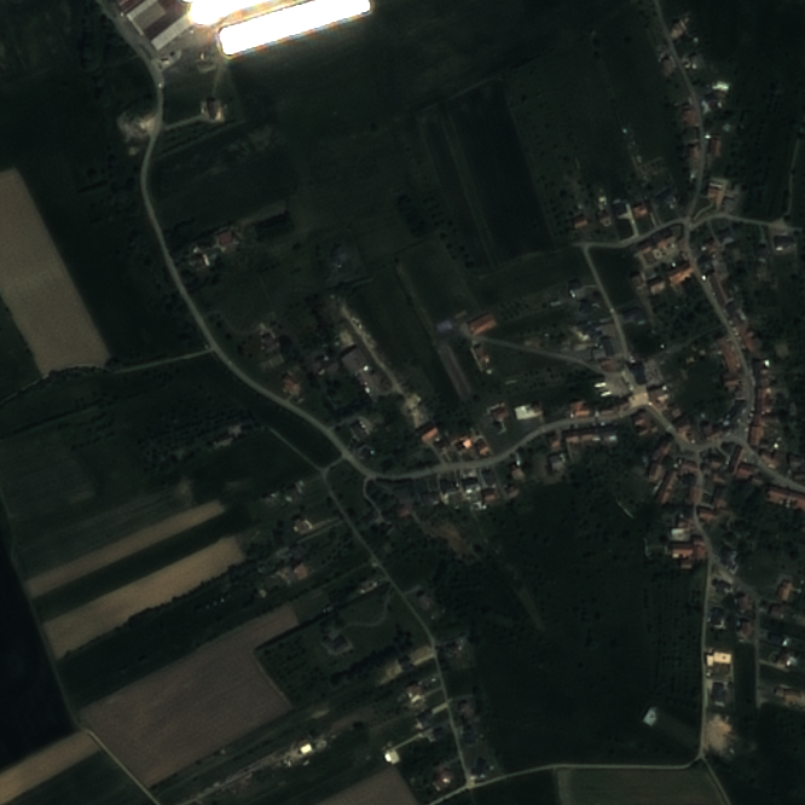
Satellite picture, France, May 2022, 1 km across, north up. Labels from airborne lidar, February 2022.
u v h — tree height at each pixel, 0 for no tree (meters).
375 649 0
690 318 11
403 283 0
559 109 0
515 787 0
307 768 0
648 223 0
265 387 0
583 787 0
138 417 0
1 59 0
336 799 0
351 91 0
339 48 0
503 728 0
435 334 0
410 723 0
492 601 0
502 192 0
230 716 0
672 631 0
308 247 0
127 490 0
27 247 0
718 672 0
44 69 0
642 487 0
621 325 0
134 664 0
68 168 0
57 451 0
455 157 0
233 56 0
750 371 0
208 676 0
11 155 0
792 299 0
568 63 0
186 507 0
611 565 0
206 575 0
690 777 0
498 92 0
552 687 0
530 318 0
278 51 0
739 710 0
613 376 0
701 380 0
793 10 0
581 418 0
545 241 0
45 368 0
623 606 0
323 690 0
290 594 0
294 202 0
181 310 12
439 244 0
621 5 0
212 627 0
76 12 0
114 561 0
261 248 0
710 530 0
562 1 0
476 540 0
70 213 0
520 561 0
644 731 0
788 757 0
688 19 0
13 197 0
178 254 8
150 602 0
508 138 0
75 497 0
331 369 0
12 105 0
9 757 0
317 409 0
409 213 8
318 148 0
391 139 0
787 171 0
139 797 0
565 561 0
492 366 0
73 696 0
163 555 0
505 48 0
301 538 0
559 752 0
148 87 0
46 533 0
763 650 0
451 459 0
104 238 0
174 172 0
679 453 0
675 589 0
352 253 0
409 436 10
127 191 9
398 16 0
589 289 0
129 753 0
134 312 0
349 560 0
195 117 0
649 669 0
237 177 0
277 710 0
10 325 0
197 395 0
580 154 0
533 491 0
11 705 0
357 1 0
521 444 0
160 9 0
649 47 0
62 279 0
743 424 0
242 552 0
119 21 0
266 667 0
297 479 0
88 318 0
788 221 6
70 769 0
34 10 0
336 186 0
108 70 0
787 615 0
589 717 0
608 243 0
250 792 0
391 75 0
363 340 0
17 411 0
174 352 0
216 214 0
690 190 7
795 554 11
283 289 0
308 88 0
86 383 0
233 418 5
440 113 0
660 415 0
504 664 0
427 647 0
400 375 0
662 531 0
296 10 0
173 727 0
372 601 0
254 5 0
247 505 0
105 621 0
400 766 0
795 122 6
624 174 0
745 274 10
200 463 0
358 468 0
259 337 0
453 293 0
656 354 0
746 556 6
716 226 0
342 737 0
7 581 0
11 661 0
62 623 0
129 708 0
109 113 0
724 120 8
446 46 0
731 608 0
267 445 0
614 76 0
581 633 0
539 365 0
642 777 0
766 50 0
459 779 0
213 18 0
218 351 0
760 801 0
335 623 10
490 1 0
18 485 0
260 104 0
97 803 0
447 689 0
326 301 0
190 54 0
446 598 10
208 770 0
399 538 0
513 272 0
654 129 0
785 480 0
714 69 0
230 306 0
